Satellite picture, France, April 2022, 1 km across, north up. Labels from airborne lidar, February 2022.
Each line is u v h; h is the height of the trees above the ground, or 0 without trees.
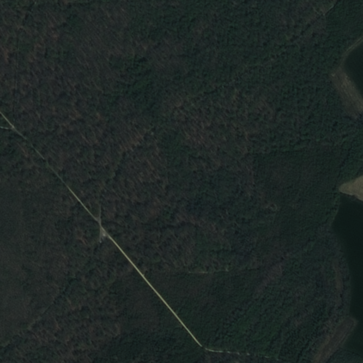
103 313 26
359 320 0
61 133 34
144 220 32
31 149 18
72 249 26
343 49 24
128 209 28
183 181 22
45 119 29
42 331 25
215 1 21
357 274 0
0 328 0
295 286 24
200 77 24
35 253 17
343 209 0
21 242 17
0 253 0
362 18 11
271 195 10
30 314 16
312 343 18
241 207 19
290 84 19
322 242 15
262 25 22
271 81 22
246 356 23
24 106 29
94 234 26
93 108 31
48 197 0
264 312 24
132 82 24
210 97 25
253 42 23
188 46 23
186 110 24
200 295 10
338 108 22
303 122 25
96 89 29
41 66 28
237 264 24
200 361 6
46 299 0
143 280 10
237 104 0
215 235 25
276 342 17
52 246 15
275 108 26
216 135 31
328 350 0
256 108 26
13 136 18
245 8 23
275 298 23
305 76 22
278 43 24
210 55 25
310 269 25
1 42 27
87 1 26
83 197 26
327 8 19
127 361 13
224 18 22
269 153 25
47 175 23
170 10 25
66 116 31
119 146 27
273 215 22
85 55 0
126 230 14
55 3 24
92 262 24
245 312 23
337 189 16
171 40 30
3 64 30
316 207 12
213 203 21
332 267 21
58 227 19
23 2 27
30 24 28
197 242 22
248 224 12
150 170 30
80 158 31
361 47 0
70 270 22
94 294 25
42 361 26
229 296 11
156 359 10
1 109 21
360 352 0
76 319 25
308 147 22
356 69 0
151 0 24
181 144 25
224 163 24
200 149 27
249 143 29
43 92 27
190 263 25
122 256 9
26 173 23
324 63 24
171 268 27
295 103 26
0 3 27
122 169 22
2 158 25
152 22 24
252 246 22
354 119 0
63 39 27
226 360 26
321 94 26
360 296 0
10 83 30
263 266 8
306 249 27
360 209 0
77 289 26
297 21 25
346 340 0
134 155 27
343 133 23
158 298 8
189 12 23
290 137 25
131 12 24
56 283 15
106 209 11
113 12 25
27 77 30
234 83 22
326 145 26
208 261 26
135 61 0
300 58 20
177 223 29
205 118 30
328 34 23
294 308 22
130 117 24
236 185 21
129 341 16
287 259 22
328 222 14
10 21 30
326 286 17
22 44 27
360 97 0
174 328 10
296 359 0
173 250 27
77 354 11
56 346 26
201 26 27
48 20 28
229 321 24
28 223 17
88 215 22
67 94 15
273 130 27
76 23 27
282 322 19
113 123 29
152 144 28
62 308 24
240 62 25
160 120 22
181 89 24
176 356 10
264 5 21
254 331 23
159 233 26
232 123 29
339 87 0
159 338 12
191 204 20
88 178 28
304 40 25
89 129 31
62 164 26
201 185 22
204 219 27
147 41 26
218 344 23
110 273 7
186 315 13
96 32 27
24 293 13
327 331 11
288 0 26
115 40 26
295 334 0
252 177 23
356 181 0
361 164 24
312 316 15
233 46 23
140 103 20
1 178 29
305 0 22
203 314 10
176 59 29
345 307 19
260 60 20
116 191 32
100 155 31
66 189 25
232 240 25
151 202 26
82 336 25
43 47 28
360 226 0
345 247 0
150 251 27
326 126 24
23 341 24
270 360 22
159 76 26
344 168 24
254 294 22
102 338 24
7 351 11
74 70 30
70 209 25
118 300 10
